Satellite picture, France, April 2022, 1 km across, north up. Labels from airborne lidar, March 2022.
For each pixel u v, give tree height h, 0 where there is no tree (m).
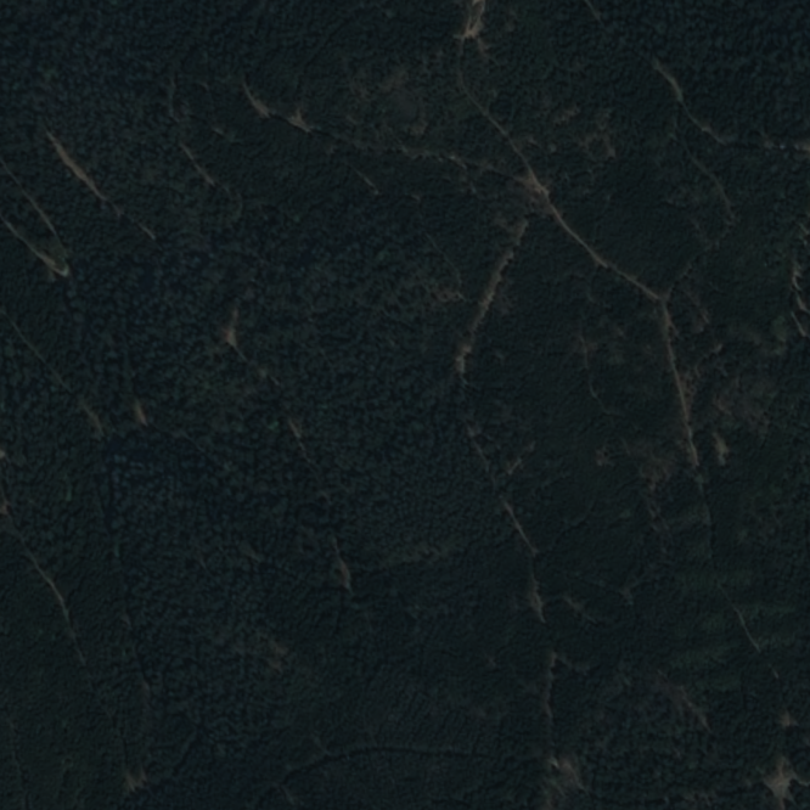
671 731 31
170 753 23
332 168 11
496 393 13
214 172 13
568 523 32
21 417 34
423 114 6
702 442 14
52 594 16
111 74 18
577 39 23
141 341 31
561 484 9
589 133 7
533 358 7
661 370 11
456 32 14
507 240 10
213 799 18
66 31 25
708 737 14
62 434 29
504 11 9
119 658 28
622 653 13
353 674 18
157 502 30
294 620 20
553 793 21
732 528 21
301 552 22
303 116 8
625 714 17
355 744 18
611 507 8
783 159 9
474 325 7
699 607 16
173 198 9
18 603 21
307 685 15
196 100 13
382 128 12
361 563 14
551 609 12
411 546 31
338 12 21
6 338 27
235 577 27
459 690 18
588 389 14
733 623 18
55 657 18
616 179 11
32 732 18
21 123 17
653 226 11
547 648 21
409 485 26
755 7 34
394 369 25
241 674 18
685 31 27
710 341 13
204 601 27
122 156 35
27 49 15
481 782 19
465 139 6
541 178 6
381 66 8
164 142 32
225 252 34
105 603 26
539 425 8
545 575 13
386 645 17
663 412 13
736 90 19
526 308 7
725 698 19
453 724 23
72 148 33
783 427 11
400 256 21
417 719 22
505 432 9
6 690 20
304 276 29
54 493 30
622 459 10
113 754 23
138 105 29
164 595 24
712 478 14
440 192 10
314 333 25
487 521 24
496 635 18
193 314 27
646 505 17
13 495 33
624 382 11
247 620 18
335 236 9
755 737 27
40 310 22
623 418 7
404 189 10
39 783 20
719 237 8
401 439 21
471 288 6
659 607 18
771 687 18
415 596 9
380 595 15
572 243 6
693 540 18
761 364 9
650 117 9
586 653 16
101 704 25
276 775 19
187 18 23
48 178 14
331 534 29
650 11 30
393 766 18
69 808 8
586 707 18
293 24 21
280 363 27
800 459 18
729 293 14
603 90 11
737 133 17
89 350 34
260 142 10
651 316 13
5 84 20
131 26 25
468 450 29
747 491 17
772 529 16
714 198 17
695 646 20
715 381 14
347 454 31
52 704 18
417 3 13
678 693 16
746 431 13
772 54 22
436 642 12
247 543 11
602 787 17
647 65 24
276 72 15
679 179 15
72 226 32
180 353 8
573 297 11
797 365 17
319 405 19
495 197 13
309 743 17
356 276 20
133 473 20
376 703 18
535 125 8
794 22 34
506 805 14
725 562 23
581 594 13
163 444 15
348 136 26
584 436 8
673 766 29
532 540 13
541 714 23
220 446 26
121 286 37
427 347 14
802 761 25
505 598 15
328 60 18
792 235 26
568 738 22
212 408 15
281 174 21
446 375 8
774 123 18
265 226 11
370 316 19
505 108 10
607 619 15
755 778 26
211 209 22
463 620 15
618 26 35
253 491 21
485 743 21
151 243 30
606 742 29
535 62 8
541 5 12
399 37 17
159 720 31
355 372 24
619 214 10
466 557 8
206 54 22
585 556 11
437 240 9
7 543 17
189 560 27
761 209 9
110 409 14
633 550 11
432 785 16
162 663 21
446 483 16
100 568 23
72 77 19
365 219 14
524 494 12
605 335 9
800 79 10
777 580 21
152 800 17
